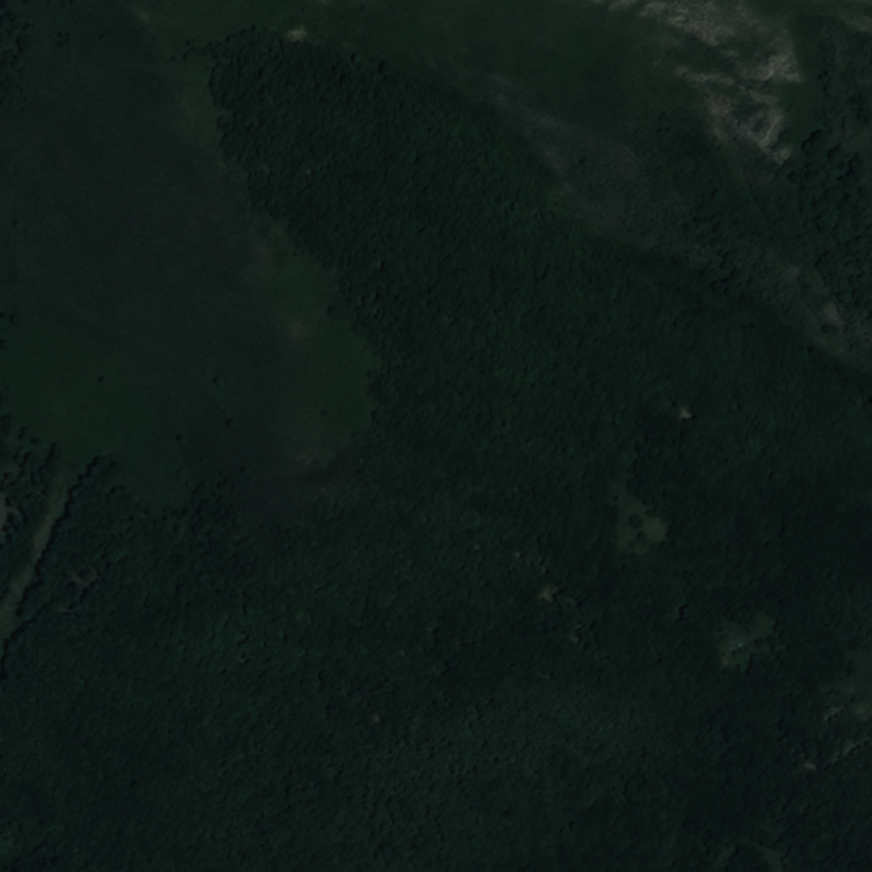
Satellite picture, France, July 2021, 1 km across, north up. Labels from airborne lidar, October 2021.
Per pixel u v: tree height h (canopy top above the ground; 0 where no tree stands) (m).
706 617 26
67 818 24
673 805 28
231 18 0
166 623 16
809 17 0
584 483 24
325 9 0
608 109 0
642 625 23
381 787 22
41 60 0
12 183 0
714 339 30
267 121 18
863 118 14
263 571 9
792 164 20
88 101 0
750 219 10
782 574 10
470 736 21
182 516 8
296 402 0
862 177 16
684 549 11
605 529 8
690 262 9
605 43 0
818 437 27
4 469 21
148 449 0
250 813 25
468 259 25
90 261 0
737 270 15
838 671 17
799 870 15
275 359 0
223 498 7
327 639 23
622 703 19
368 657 17
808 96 0
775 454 31
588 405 26
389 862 25
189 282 0
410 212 21
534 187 12
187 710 18
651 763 19
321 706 28
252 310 0
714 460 31
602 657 36
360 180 23
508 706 22
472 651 28
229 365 0
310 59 22
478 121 13
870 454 25
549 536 22
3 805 26
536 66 0
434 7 0
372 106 22
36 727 19
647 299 23
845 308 12
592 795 24
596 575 17
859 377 7
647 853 22
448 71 0
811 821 25
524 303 24
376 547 18
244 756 15
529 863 27
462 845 28
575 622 37
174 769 22
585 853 25
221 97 12
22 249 0
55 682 18
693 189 8
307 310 0
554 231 21
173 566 19
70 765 23
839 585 16
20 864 24
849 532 20
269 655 21
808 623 21
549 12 0
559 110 0
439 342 20
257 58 19
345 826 27
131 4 0
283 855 26
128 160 0
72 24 0
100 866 24
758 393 19
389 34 0
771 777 23
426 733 20
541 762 24
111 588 21
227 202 0
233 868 23
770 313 6
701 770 28
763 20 0
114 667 19
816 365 27
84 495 24
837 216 21
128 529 14
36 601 22
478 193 14
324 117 18
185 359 0
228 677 18
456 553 15
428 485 14
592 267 16
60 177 0
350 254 20
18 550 22
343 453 0
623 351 24
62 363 0
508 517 21
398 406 18
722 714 27
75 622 21
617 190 9
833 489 26
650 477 26
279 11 0
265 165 16
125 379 0
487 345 18
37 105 0
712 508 18
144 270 0
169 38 0
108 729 20
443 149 23
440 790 25
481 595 20
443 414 20
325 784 27
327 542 13
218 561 11
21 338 0
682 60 0
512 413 24
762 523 19
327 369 0
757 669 20
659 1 0
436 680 22
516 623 22
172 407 0
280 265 0
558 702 18
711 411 29
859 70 8
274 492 0
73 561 20
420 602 20
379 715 20
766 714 35
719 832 23
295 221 13
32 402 0
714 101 0
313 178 15
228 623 18
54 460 18
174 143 0
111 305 0
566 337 24
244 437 0
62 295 0
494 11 0
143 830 25
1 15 17
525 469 23
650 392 26
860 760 14
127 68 0
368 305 18
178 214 0
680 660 23
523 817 26
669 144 7
